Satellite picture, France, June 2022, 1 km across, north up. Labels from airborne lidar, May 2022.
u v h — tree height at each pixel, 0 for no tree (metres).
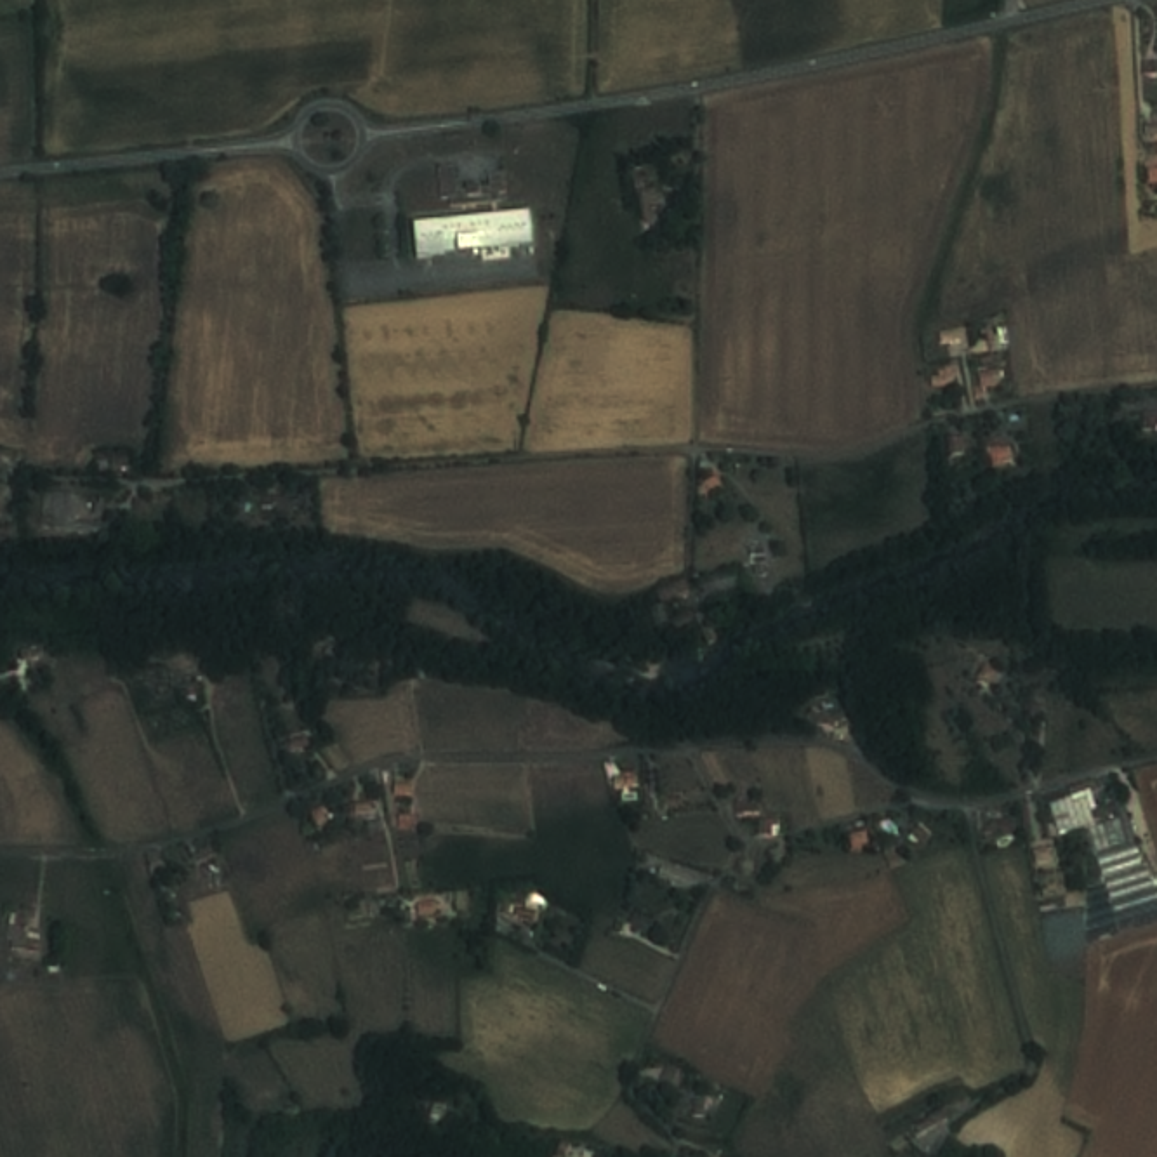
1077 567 0
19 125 0
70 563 26
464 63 0
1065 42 0
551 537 0
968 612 11
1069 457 6
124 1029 0
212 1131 0
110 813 0
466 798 0
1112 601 0
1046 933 0
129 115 0
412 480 0
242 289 0
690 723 22
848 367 0
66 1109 0
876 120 0
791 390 0
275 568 16
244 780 0
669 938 14
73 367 0
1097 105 0
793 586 11
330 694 12
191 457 0
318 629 23
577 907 11
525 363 0
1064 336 0
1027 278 0
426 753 0
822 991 0
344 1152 15
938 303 0
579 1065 0
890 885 0
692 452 0
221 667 13
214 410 0
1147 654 8
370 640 12
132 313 0
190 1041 0
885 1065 0
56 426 0
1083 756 0
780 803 0
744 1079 0
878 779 0
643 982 0
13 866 0
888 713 20
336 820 10
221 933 0
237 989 0
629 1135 0
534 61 0
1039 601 15
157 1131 0
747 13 0
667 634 17
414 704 0
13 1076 0
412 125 0
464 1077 13
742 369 0
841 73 0
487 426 0
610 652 19
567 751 0
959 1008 0
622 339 0
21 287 0
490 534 0
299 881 0
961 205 0
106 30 0
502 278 0
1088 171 0
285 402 0
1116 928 0
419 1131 20
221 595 28
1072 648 13
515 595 34
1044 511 19
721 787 13
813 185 0
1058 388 0
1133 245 0
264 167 0
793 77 0
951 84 0
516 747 0
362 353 0
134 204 0
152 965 0
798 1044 0
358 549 15
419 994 0
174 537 20
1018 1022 0
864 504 0
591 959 0
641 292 0
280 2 0
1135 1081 0
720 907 0
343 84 0
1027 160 0
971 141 0
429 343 0
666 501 0
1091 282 0
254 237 0
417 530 0
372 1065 18
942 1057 0
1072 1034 0
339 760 0
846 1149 0
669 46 0
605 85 0
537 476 0
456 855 0
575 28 0
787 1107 0
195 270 0
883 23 0
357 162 0
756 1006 0
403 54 0
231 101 0
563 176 0
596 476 0
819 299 0
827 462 0
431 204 0
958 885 0
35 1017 0
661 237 18
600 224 0
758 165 0
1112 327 0
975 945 0
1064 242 0
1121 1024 0
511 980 0
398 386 0
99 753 0
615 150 0
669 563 0
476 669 24
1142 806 0
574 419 0
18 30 0
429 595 18
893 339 0
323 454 0
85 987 0
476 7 0
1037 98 0
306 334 0
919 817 14
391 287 0
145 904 0
